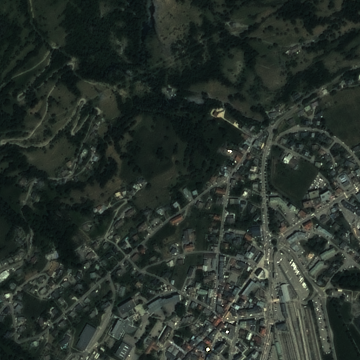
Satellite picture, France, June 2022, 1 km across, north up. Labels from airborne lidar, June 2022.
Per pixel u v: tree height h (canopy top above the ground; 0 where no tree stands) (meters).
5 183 18
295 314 0
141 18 9
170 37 0
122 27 7
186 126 11
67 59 18
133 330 0
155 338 8
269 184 8
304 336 0
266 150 0
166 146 0
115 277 15
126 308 0
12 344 22
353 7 18
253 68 7
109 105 0
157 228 0
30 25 18
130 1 22
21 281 0
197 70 21
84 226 0
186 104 14
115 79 10
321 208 0
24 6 14
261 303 0
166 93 0
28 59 15
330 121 0
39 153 0
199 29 12
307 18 25
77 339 0
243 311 0
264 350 0
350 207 0
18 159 21
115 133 18
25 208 17
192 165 14
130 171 0
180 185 13
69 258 13
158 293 9
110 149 0
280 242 0
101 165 10
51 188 13
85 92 0
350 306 0
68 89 16
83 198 9
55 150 0
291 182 0
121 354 0
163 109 19
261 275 0
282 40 0
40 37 19
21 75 0
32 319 11
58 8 0
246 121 15
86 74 14
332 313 0
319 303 0
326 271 8
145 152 0
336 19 11
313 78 13
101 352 13
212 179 0
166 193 0
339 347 0
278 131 9
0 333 22
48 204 19
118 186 0
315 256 0
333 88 7
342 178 0
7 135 16
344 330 0
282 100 7
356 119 0
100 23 12
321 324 0
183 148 0
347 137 0
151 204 0
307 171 0
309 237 0
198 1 20
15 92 10
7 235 10
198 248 0
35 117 11
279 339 0
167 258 0
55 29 7
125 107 13
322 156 5
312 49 18
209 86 0
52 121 15
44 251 7
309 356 0
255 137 0
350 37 13
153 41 0
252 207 0
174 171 0
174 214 6
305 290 0
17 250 7
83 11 21
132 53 22
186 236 0
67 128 12
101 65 10
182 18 0
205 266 0
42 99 14
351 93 0
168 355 0
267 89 9
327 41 16
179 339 12
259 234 0
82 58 15
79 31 9
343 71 10
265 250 0
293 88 15
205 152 26
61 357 0
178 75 12
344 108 0
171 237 0
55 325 13
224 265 0
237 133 0
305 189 0
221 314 0
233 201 0
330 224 10
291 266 0
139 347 21
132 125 11
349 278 20
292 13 23
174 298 0
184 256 0
